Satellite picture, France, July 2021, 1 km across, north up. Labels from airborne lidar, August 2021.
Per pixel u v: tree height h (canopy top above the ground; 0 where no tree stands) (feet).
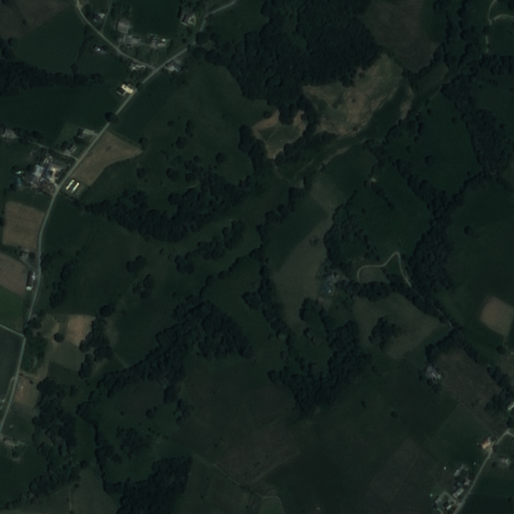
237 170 0
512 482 0
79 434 0
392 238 0
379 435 0
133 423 0
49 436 53
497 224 0
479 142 66
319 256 0
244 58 55
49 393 73
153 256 0
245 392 0
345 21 54
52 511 0
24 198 0
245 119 0
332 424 0
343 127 0
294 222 0
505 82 0
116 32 23
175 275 0
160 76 0
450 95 80
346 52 73
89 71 0
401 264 0
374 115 0
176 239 73
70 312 0
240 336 85
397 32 0
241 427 0
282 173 0
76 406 0
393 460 0
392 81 0
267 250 55
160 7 0
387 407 0
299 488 0
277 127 0
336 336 39
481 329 0
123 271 0
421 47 0
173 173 69
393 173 0
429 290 57
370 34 88
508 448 0
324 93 0
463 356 0
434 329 0
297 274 0
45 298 0
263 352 0
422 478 0
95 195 0
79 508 0
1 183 0
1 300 0
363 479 0
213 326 55
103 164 0
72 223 0
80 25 0
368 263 0
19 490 0
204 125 0
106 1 0
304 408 53
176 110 0
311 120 67
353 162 0
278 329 54
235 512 0
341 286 34
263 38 72
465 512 0
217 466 0
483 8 0
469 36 72
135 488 40
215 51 40
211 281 61
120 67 0
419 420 0
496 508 0
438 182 0
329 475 0
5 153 0
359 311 0
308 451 0
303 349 0
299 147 38
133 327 0
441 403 0
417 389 0
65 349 0
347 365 67
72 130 0
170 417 0
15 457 34
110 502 0
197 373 0
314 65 75
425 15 0
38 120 0
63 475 65
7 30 0
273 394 0
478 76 60
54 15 0
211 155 0
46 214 0
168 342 54
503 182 49
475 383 0
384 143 22
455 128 0
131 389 48
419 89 30
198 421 0
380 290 112
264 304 43
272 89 71
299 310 0
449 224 68
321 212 0
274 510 0
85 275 0
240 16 0
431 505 0
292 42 58
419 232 0
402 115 0
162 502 71
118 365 0
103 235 0
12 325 0
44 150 27
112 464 0
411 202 0
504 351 57
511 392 59
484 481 0
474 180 51
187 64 26
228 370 0
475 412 0
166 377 50
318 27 82
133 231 57
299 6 71
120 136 0
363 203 0
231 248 76
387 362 0
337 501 0
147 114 0
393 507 0
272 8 68
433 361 61
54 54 0
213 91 0
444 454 0
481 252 0
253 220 0
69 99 0
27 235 0
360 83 0
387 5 0
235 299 0
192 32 28
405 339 0
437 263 38
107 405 0
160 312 0
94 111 0
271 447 0
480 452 0
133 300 0
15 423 0
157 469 22
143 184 0
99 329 72
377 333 49
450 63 77
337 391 79
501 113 0
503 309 0
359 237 47
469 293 0
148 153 0
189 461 27
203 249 45
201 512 0
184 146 62
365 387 0
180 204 70
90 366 55
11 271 0
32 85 35
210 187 29
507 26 0
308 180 61
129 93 0
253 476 0
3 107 0
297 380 89
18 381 0
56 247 0
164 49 0
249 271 0
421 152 0
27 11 0
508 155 38
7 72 82
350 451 0
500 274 0
